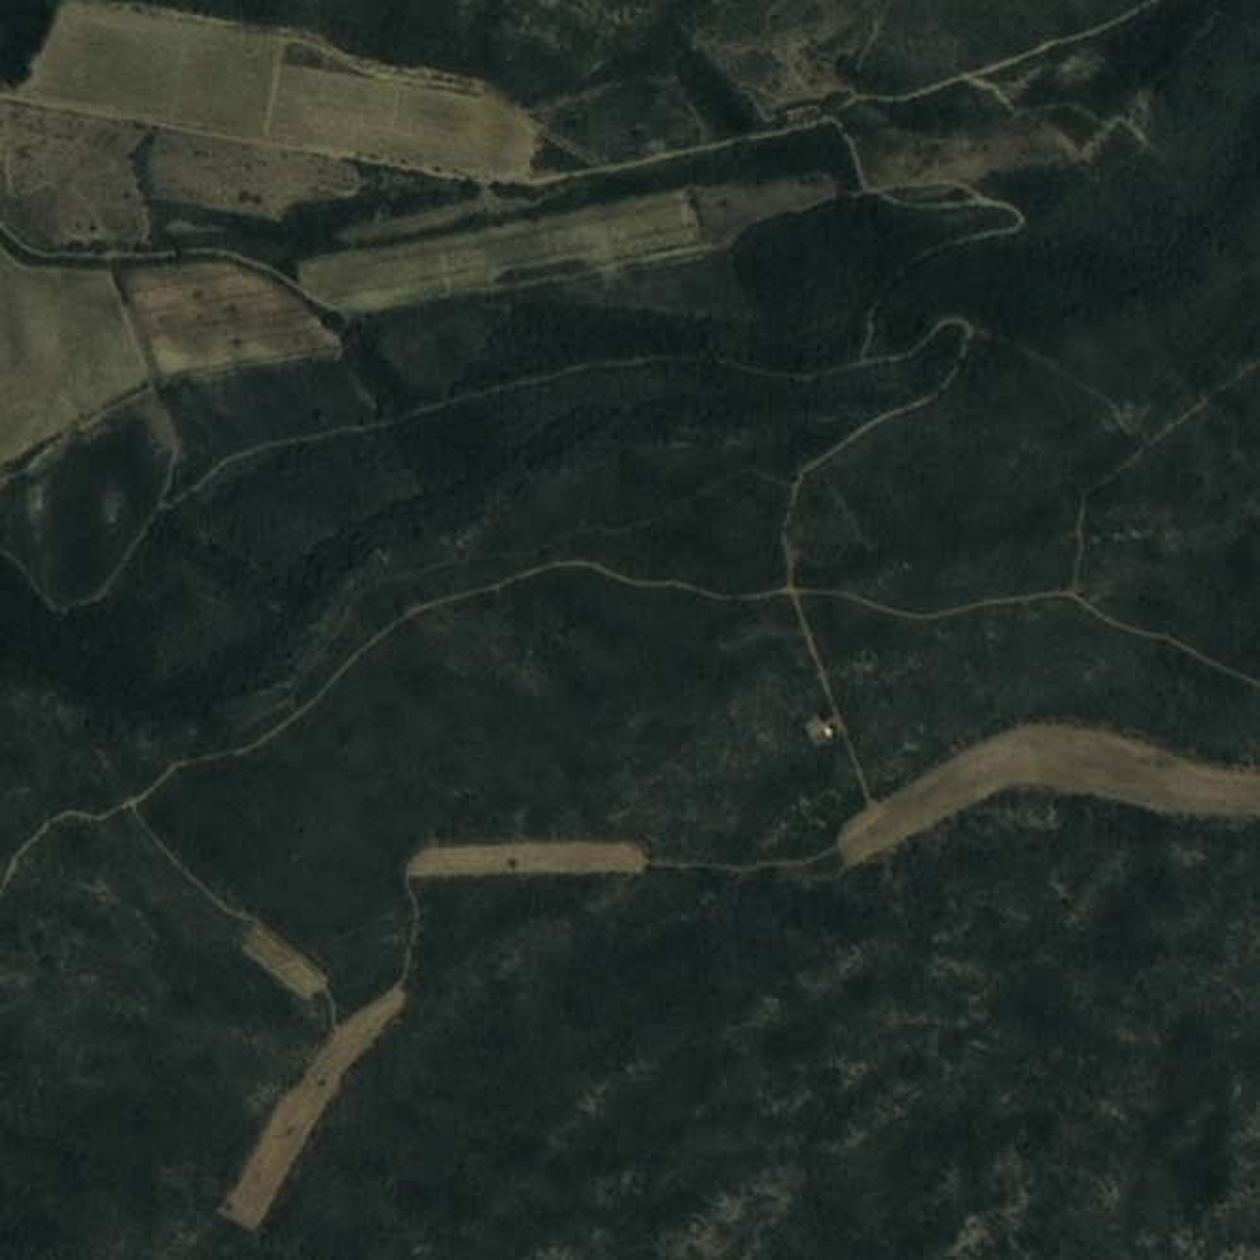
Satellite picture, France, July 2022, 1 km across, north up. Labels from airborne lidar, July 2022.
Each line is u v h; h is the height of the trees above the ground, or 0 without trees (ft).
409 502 23
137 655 23
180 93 0
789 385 20
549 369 18
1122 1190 0
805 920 20
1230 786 0
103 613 22
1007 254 21
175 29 0
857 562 21
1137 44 28
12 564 22
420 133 0
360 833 0
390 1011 0
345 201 18
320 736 0
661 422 23
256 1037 0
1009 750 0
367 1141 0
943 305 19
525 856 0
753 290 28
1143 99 0
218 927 0
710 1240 0
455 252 0
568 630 23
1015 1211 0
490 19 19
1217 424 18
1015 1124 19
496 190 24
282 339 0
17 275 0
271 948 0
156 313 0
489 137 0
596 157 0
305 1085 0
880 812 0
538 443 17
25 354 0
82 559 18
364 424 27
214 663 18
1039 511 18
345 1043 0
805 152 22
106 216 0
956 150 0
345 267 0
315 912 0
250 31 0
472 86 0
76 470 20
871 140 0
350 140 0
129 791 0
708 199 0
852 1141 0
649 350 23
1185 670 20
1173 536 0
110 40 0
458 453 21
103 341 0
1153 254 18
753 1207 0
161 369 0
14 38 27
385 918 0
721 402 24
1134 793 0
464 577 0
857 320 18
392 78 0
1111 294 23
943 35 0
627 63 19
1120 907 19
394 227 0
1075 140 0
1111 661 0
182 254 29
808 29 0
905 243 28
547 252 0
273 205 0
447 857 0
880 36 0
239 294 0
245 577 25
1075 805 17
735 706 0
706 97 20
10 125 0
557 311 20
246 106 0
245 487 20
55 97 0
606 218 0
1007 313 32
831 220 27
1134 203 18
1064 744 0
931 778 0
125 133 0
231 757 17
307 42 0
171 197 0
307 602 25
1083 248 21
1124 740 0
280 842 0
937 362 23
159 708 20
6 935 28
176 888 0
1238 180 22
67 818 0
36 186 0
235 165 0
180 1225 0
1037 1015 20
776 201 0
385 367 21
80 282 0
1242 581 19
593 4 0
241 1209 0
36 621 27
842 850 0
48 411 0
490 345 23
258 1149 0
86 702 24
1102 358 0
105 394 0
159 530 28
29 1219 18
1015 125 0
